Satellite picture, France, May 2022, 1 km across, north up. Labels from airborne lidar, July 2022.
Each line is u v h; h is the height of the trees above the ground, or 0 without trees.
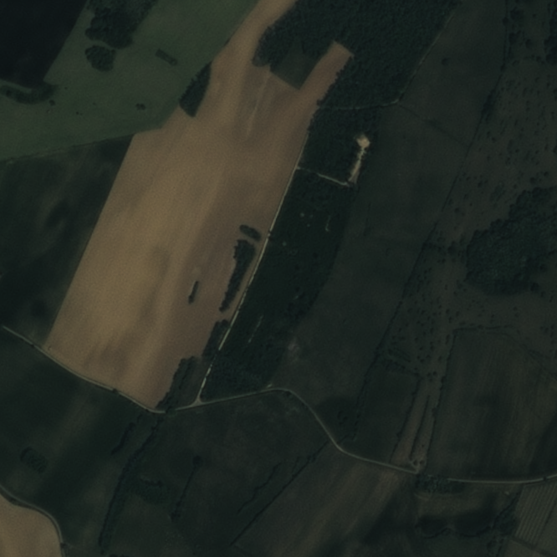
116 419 0
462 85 0
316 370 0
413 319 0
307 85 0
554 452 0
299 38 14
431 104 0
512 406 0
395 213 0
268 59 9
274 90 0
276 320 11
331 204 16
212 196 0
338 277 0
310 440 0
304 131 0
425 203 0
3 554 0
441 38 0
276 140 0
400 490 0
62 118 0
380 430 0
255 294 8
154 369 0
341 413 6
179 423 0
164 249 0
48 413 0
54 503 0
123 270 0
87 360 0
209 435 0
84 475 0
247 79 0
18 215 0
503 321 0
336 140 17
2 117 0
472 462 0
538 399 0
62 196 0
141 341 0
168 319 0
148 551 0
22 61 0
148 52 0
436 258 0
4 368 0
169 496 12
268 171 0
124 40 17
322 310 0
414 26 18
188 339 0
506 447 0
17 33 0
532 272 15
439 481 14
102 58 7
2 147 0
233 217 0
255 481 0
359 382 0
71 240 0
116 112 0
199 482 0
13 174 0
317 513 0
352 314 0
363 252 0
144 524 0
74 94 0
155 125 0
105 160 0
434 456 0
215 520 0
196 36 0
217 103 0
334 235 5
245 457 0
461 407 0
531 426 0
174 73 0
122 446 12
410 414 8
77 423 0
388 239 0
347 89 18
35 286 0
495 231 13
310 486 0
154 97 0
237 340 6
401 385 0
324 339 0
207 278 0
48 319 0
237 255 7
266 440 0
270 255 7
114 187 0
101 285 0
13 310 0
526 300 0
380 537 0
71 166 0
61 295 0
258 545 0
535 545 0
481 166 0
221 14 0
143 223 0
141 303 0
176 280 0
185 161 0
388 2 12
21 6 0
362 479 0
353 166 8
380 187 0
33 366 0
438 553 0
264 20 0
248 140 0
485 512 0
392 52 14
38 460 15
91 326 0
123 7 21
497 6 0
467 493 0
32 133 0
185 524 0
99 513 0
